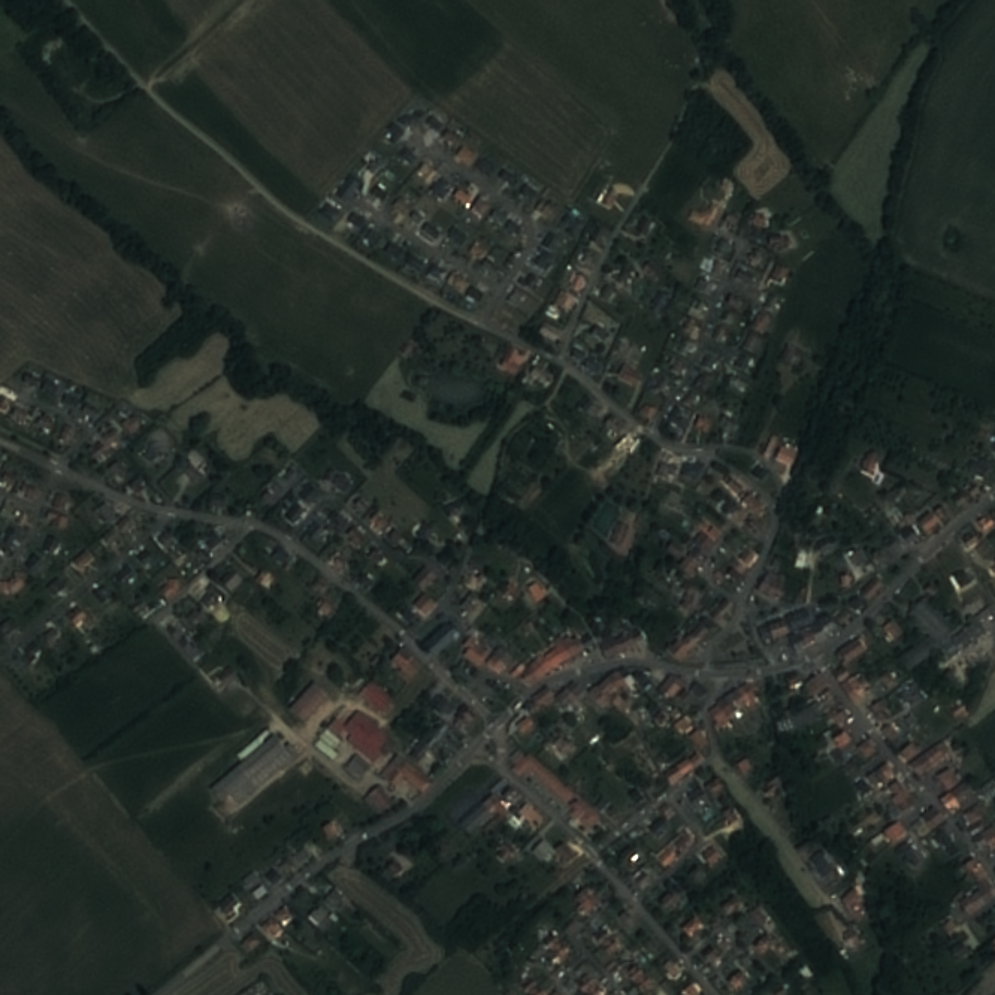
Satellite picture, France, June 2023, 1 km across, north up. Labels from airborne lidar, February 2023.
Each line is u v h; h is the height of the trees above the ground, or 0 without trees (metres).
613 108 0
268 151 0
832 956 9
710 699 0
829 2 0
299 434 0
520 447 0
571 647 0
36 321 0
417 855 11
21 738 0
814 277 0
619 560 19
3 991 0
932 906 7
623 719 0
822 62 0
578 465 0
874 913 11
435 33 0
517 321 0
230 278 0
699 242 0
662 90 0
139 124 0
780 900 8
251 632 0
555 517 0
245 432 0
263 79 0
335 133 0
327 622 7
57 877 0
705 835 0
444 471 8
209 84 0
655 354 0
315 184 0
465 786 0
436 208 0
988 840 0
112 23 0
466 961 0
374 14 0
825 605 13
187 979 0
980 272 0
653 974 0
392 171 0
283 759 0
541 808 0
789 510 15
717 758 0
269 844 0
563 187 0
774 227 8
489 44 0
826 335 0
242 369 13
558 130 0
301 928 13
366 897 0
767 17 0
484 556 0
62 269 0
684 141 8
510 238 0
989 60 0
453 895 0
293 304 0
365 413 9
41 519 0
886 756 0
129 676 0
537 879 0
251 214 0
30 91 0
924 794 0
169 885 0
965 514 0
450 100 0
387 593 11
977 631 0
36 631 0
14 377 0
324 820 0
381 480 0
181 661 0
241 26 0
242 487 0
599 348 6
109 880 0
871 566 0
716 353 0
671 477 0
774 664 0
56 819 0
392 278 0
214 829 0
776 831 0
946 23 10
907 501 0
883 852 0
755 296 0
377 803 0
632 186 0
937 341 0
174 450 0
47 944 0
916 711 0
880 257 12
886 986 14
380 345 0
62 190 13
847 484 0
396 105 0
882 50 0
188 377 0
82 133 0
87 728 0
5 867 0
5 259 0
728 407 8
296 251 0
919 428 0
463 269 0
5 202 0
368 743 0
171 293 7
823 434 17
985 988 0
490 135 0
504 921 6
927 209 0
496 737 0
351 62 0
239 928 0
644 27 0
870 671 7
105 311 0
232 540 0
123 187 0
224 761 0
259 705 0
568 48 0
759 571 0
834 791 0
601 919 0
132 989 0
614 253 6
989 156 0
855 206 0
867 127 0
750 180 0
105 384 0
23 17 18
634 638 0
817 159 0
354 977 0
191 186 0
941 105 0
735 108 0
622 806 0
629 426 0
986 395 0
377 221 0
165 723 0
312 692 0
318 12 0
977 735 0
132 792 0
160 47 0
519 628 0
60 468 0
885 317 19
